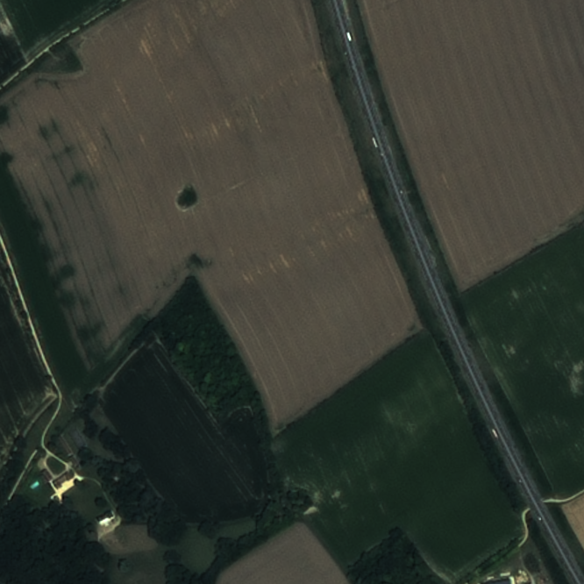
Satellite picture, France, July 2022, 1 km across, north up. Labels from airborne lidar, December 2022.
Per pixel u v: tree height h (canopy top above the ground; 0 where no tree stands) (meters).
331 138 0
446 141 0
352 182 0
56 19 0
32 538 25
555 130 0
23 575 16
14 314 0
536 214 0
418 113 0
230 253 0
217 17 0
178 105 0
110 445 16
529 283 0
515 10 0
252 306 0
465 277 0
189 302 8
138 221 0
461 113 0
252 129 0
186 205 0
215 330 8
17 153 0
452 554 0
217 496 0
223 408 17
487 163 0
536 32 0
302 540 0
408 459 0
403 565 23
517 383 0
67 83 0
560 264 0
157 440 0
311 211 0
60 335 0
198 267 0
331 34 0
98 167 0
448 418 0
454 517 0
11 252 0
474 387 0
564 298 0
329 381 0
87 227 0
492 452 9
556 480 0
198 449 0
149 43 0
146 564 0
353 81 0
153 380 0
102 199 0
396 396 0
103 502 19
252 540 15
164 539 18
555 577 8
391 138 0
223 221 0
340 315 0
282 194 0
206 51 0
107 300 0
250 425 0
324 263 0
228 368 11
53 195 0
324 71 0
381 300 0
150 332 11
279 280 0
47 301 0
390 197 0
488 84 0
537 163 0
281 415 0
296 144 0
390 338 0
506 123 0
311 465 0
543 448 0
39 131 0
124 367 0
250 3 0
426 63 0
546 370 0
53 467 0
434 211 0
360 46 0
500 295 0
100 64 0
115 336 0
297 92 0
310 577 0
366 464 0
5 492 15
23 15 0
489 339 0
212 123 0
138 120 0
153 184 0
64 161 0
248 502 0
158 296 0
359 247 0
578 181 0
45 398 0
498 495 0
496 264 0
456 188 0
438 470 0
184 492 0
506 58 0
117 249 0
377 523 0
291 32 0
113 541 0
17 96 0
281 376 0
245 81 0
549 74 0
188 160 0
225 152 0
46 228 0
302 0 0
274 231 0
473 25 0
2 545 19
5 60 0
